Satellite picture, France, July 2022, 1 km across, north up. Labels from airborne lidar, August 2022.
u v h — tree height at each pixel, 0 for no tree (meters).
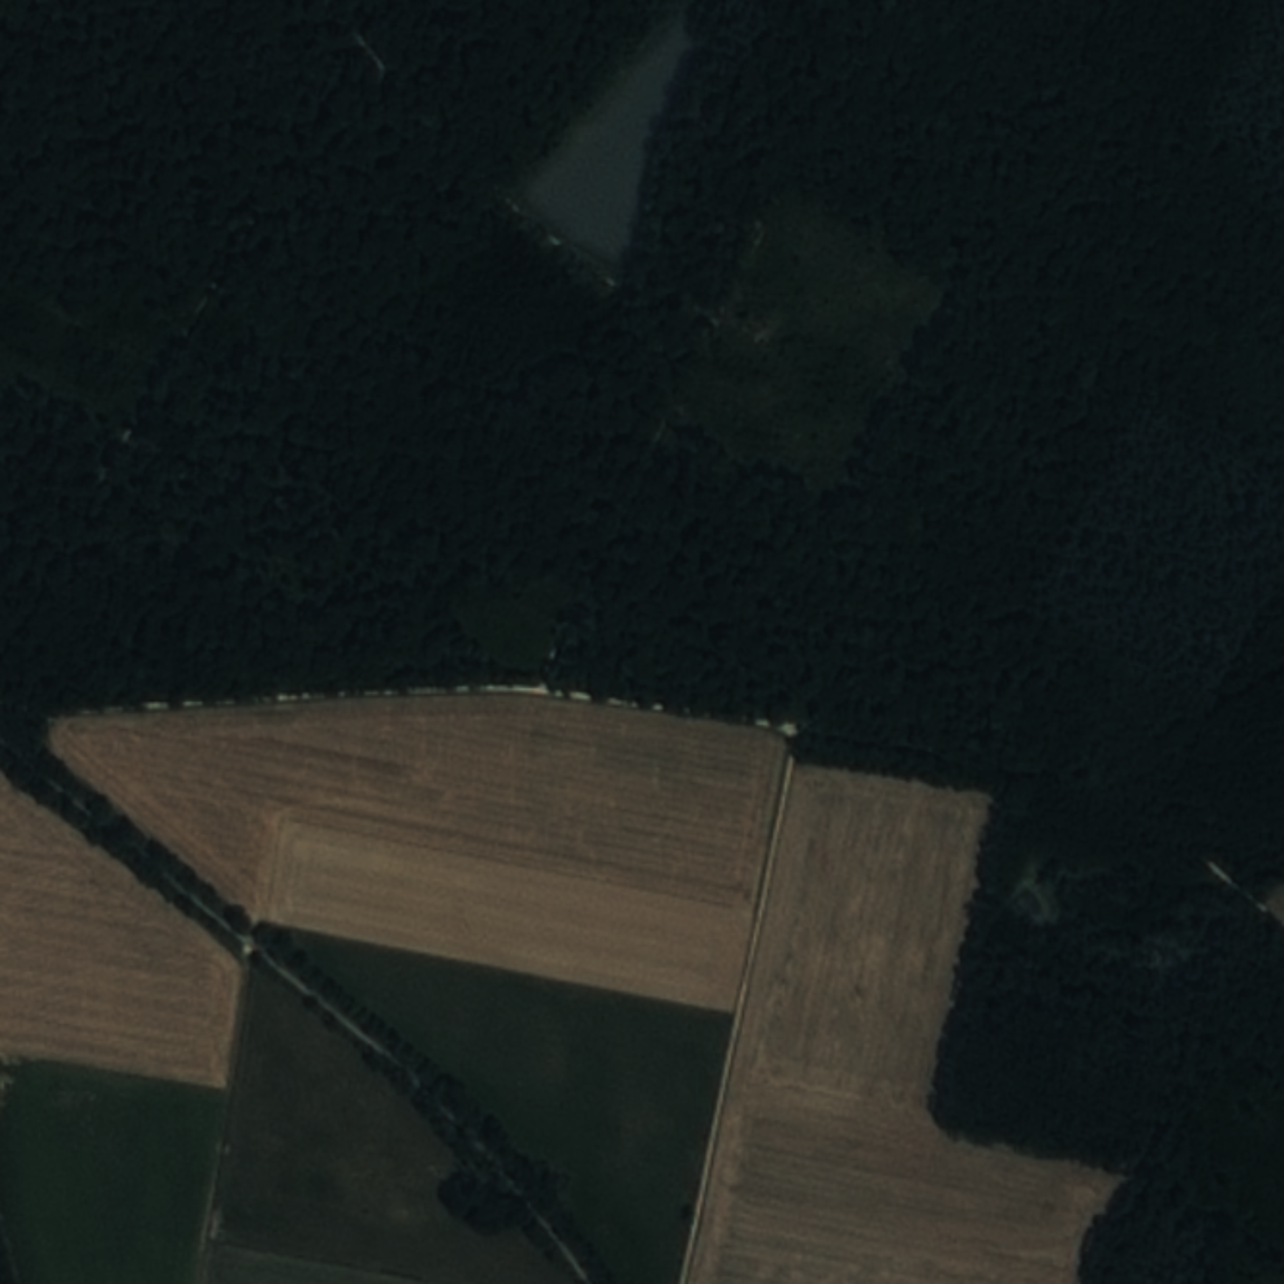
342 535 25
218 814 0
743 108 28
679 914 0
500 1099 0
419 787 0
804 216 0
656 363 28
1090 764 16
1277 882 16
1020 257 22
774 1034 0
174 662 17
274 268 28
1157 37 27
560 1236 13
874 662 19
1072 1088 24
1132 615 30
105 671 18
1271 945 25
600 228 0
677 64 0
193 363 27
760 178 25
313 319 17
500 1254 0
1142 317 25
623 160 0
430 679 13
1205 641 33
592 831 0
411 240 26
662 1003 0
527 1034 0
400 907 0
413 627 21
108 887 0
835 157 23
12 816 0
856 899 0
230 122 27
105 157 25
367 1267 0
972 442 21
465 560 9
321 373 26
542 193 0
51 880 0
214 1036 0
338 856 0
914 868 0
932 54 24
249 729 0
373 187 28
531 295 13
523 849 0
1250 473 16
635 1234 0
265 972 10
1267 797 22
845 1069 0
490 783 0
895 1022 0
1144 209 27
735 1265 0
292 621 25
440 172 28
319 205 25
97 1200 0
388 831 0
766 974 0
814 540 21
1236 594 31
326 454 24
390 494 28
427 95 28
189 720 0
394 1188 0
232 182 27
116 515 22
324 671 21
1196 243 24
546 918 0
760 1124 0
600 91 11
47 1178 0
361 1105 0
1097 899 10
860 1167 0
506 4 30
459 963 0
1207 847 21
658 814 0
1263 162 28
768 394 0
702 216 25
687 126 27
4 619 20
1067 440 24
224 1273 0
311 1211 0
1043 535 22
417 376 25
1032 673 24
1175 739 22
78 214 23
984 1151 0
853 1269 0
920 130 22
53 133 26
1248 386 17
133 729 0
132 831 17
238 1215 0
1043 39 20
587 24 16
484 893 0
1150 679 21
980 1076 24
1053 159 19
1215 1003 22
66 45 26
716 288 16
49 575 25
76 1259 0
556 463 27
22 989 0
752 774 0
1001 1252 0
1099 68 25
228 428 23
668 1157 0
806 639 20
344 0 24
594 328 22
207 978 0
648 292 24
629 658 20
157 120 26
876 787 0
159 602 26
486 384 6
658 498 27
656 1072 0
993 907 23
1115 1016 20
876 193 23
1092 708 16
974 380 19
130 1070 0
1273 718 21
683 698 22
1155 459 30
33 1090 0
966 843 0
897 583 22
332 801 0
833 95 21
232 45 23
